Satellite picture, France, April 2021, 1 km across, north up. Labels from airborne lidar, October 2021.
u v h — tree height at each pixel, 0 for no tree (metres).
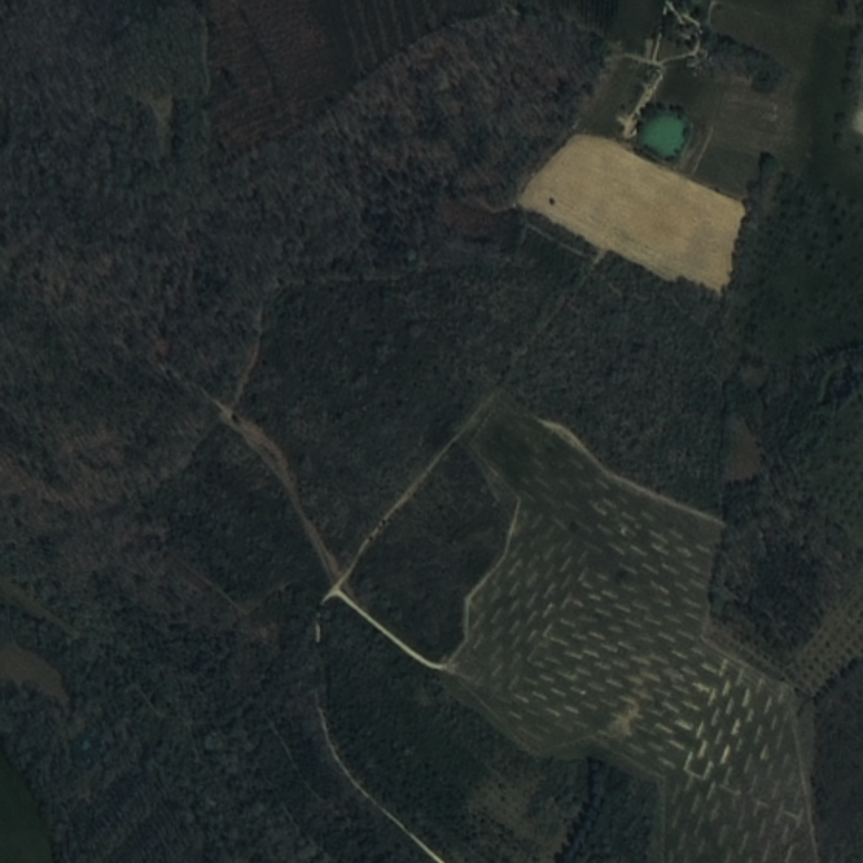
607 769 17
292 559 8
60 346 17
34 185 21
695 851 0
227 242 19
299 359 8
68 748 29
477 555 0
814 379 7
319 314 11
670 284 7
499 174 16
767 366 14
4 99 17
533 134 21
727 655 0
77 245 10
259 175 12
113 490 16
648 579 0
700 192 0
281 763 8
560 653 0
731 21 0
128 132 18
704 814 0
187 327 13
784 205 10
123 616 15
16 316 22
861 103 0
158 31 26
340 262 9
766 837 0
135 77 29
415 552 8
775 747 0
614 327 8
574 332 9
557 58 21
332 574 0
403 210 9
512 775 9
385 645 9
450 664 0
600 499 0
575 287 8
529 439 0
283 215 6
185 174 24
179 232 22
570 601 0
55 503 15
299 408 10
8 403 19
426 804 9
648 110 9
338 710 11
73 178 23
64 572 15
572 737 0
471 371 7
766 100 0
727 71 23
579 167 0
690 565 0
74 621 19
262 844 11
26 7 20
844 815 12
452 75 15
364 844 12
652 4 0
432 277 7
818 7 0
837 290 9
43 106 13
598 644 0
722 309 11
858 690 15
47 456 18
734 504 16
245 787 20
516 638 0
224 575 7
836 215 6
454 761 7
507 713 0
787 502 19
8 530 14
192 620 11
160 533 13
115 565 18
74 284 13
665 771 0
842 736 9
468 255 16
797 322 7
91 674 11
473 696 0
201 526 7
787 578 17
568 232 10
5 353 21
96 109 22
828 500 8
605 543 0
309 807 8
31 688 0
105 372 19
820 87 0
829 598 16
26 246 9
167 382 17
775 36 0
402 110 14
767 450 8
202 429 16
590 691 0
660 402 7
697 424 6
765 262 10
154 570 17
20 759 17
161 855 42
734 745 0
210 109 19
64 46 19
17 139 19
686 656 0
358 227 24
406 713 8
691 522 0
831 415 11
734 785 0
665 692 0
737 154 0
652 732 0
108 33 15
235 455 10
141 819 43
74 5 15
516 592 0
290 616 6
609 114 0
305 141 17
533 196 0
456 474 6
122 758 27
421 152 13
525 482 0
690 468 10
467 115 19
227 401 15
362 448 7
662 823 0
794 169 0
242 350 16
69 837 13
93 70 15
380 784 6
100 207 14
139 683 16
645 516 0
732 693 0
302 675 19
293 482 8
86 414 19
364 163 13
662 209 0
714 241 0
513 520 0
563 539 0
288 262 23
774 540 21
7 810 0
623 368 6
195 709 12
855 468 6
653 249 0
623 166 0
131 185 11
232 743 8
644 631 0
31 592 17
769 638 16
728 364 15
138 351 20
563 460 0
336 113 16
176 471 9
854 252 0
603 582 0
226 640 8
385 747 9
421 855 10
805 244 0
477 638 0
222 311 11
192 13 20
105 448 14
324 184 16
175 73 27
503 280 7
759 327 9
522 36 14
